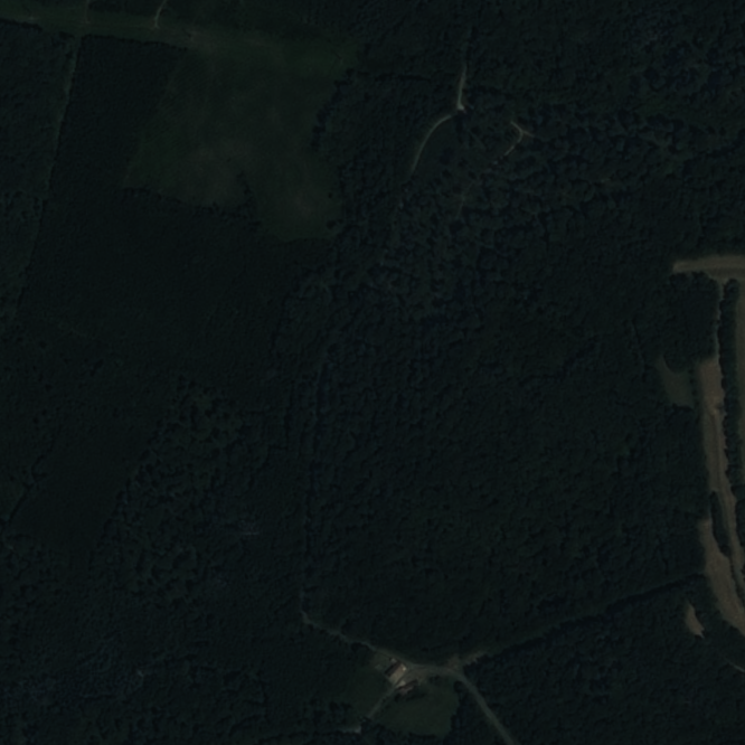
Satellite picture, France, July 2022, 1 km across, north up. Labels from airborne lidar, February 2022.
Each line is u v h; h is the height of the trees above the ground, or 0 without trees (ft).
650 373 66
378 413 70
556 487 66
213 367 24
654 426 72
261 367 50
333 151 93
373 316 73
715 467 0
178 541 96
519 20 68
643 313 72
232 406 78
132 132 37
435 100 68
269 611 72
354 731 0
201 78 0
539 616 72
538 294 83
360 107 96
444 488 84
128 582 76
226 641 82
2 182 75
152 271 34
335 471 75
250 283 28
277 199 0
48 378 26
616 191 0
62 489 40
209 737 89
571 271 87
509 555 79
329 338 88
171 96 0
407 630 82
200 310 33
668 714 87
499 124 73
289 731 55
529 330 25
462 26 85
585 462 88
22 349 21
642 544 93
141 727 47
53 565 66
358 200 38
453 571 73
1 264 80
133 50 40
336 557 56
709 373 0
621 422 81
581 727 55
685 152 80
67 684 71
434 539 74
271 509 73
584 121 75
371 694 0
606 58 76
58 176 42
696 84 68
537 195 84
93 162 46
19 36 81
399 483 68
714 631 62
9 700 92
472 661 0
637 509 65
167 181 0
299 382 45
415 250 71
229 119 0
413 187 74
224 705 77
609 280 82
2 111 101
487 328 91
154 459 88
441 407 99
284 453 77
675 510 53
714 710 79
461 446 58
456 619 70
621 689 87
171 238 22
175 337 34
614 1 61
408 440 70
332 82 0
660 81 84
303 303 88
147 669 98
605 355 66
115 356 33
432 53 75
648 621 67
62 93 71
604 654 86
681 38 73
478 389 68
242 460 72
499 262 90
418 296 71
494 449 65
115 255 30
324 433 82
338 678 82
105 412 41
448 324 88
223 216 59
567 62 78
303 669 92
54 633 56
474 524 67
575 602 73
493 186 75
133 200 54
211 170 0
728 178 79
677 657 83
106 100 38
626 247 66
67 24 0
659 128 75
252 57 0
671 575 62
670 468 85
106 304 37
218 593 87
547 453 56
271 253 30
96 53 41
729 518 0
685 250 53
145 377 39
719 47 68
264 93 0
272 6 44
